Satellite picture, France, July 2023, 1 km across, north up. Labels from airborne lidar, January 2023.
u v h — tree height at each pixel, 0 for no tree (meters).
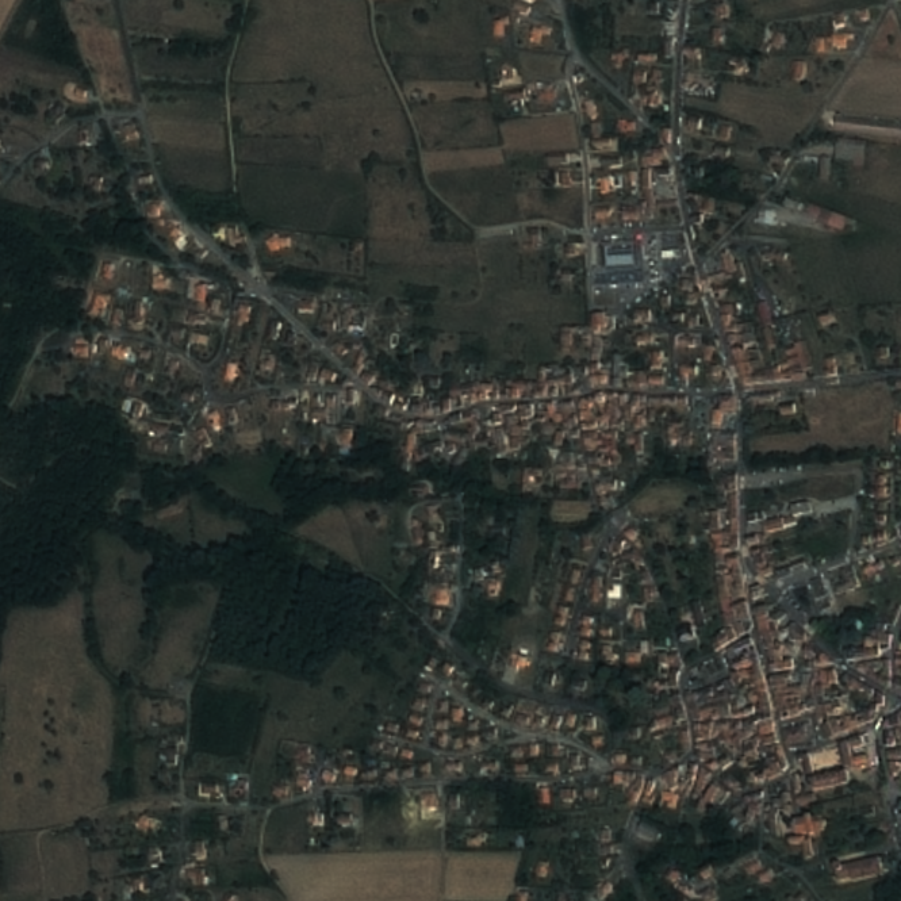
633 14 0
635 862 0
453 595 0
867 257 0
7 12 0
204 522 0
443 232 8
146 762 0
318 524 0
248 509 20
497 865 0
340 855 0
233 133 0
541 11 0
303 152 0
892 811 0
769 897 9
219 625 11
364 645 10
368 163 10
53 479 17
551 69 0
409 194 0
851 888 0
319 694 0
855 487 0
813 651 0
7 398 20
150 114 0
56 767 0
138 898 13
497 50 0
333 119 0
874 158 0
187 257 9
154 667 0
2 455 9
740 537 0
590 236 0
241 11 10
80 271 9
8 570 21
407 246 0
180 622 0
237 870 0
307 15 0
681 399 0
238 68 0
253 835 0
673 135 0
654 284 0
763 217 0
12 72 0
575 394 0
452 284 0
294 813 0
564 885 10
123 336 0
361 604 19
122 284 0
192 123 0
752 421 6
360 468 17
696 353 0
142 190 8
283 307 0
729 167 9
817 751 0
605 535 0
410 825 0
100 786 0
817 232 0
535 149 0
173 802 0
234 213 7
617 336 0
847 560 0
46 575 15
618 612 0
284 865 0
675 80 0
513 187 0
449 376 10
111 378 0
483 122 0
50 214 10
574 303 0
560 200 0
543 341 0
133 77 0
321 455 15
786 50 0
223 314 0
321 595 21
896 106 0
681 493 0
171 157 0
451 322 0
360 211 0
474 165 0
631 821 0
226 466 14
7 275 17
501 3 0
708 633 13
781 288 0
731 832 14
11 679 0
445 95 0
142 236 13
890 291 0
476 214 0
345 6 0
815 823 0
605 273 0
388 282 0
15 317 8
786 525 0
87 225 12
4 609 16
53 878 0
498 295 0
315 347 0
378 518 16
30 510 16
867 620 16
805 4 0
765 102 0
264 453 17
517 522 11
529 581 0
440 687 0
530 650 0
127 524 27
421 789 0
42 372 0
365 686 0
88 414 16
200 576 20
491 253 0
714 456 0
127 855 8
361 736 0
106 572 0
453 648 0
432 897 0
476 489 17
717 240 6
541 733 0
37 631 0
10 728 0
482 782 6
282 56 0
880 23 0
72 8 0
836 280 0
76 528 18
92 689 0
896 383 8
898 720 0
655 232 0
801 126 0
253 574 12
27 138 0
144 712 0
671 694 8
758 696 0
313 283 8
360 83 0
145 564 0
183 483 18
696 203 9
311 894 0
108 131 8
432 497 6
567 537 0
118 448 12
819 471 0
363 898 0
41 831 0
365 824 0
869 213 0
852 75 0
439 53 0
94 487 16
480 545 16
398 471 14
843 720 0
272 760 0
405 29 0
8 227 14
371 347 7
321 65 0
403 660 0
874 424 0
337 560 9
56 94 7
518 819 7
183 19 0
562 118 0
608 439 0
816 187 0
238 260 14
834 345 0
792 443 0
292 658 14
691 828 15
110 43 0
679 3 0
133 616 0
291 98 0
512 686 0
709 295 0
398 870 0
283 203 0
